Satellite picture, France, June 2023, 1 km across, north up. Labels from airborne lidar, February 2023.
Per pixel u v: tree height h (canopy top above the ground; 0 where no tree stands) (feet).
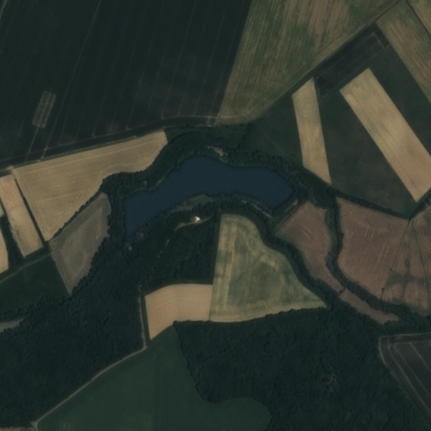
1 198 0
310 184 0
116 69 0
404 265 0
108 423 0
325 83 0
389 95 0
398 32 0
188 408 0
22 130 0
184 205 33
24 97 0
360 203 33
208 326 44
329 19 0
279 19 0
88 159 0
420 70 0
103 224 0
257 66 0
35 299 0
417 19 0
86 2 0
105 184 51
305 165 0
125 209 0
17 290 0
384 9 0
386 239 0
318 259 0
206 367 60
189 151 59
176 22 0
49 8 0
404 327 100
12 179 0
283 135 0
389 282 0
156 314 0
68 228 0
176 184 0
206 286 0
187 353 54
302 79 0
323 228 0
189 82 0
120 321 57
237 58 0
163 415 0
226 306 0
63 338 65
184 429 0
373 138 0
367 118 0
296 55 0
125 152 0
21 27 0
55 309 67
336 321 55
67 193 0
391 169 0
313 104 0
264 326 63
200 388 52
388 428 71
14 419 59
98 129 0
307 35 0
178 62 0
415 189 0
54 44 0
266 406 58
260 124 0
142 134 0
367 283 0
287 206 53
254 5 0
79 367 63
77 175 0
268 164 48
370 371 56
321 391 66
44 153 0
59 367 60
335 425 67
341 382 73
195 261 38
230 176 0
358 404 56
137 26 0
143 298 0
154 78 0
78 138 0
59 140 0
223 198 33
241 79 0
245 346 72
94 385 0
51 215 0
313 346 64
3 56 0
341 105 0
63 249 0
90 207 0
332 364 69
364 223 0
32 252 0
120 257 64
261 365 62
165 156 91
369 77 0
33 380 67
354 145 0
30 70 0
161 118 0
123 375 0
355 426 77
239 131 0
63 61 0
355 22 0
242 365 58
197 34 0
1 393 70
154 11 0
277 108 0
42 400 52
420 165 0
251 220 0
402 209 0
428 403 0
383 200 0
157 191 0
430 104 0
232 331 53
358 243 0
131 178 55
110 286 66
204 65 0
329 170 0
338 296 97
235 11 0
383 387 52
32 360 58
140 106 0
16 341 55
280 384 54
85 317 63
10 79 0
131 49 0
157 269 40
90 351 54
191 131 0
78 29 0
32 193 0
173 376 0
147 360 0
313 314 49
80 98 0
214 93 0
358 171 0
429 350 0
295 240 0
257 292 0
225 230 0
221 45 0
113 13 0
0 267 0
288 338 62
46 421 0
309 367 55
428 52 0
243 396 56
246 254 0
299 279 0
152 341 0
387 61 0
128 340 55
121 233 53
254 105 0
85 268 0
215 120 0
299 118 0
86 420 0
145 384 0
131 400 0
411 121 0
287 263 0
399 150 0
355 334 71
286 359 56
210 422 0
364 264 0
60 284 0
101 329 54
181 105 0
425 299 0
